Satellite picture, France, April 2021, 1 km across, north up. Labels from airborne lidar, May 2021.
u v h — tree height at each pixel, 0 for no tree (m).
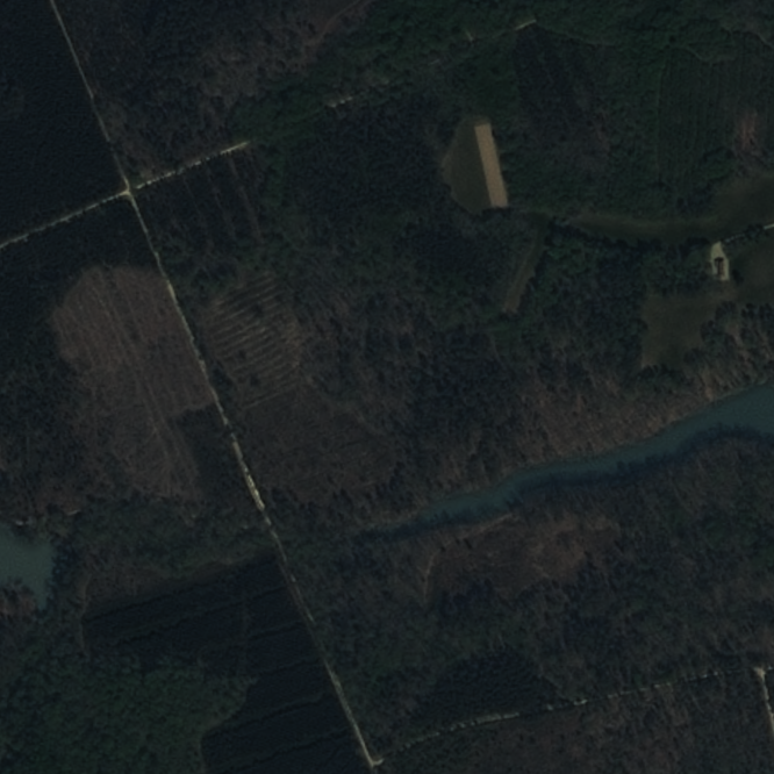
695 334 0
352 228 13
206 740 9
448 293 13
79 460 10
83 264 14
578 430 25
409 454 16
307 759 9
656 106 19
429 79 16
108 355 0
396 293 11
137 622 10
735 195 0
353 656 26
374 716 12
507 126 9
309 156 13
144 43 8
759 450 28
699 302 0
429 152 15
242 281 24
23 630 11
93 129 12
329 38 9
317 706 9
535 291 18
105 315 0
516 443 19
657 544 24
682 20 22
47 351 10
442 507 0
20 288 12
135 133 22
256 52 14
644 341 17
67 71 13
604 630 26
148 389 8
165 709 20
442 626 12
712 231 0
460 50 14
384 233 14
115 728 22
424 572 27
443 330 16
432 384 26
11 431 11
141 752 19
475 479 28
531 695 18
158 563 23
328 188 14
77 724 29
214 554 26
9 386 9
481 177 0
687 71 11
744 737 16
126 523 18
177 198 9
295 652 9
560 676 17
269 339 0
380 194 17
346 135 13
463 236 14
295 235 18
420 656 22
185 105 13
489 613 24
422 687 23
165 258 9
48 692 24
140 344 13
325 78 10
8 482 24
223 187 11
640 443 23
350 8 0
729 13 21
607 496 28
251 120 21
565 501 25
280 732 9
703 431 0
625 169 13
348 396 18
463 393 20
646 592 23
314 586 23
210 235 6
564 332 21
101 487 10
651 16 13
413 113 11
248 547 25
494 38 11
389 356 16
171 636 6
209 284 20
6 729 26
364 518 15
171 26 26
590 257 16
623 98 12
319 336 9
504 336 20
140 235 14
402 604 12
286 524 20
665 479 26
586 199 18
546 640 11
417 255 14
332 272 19
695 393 28
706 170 16
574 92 9
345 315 9
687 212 26
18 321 14
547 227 0
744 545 23
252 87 16
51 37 10
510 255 15
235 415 16
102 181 12
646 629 19
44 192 9
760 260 0
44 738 31
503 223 19
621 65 15
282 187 17
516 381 26
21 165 11
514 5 10
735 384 17
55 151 12
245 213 12
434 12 15
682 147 10
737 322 16
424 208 14
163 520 16
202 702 23
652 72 17
